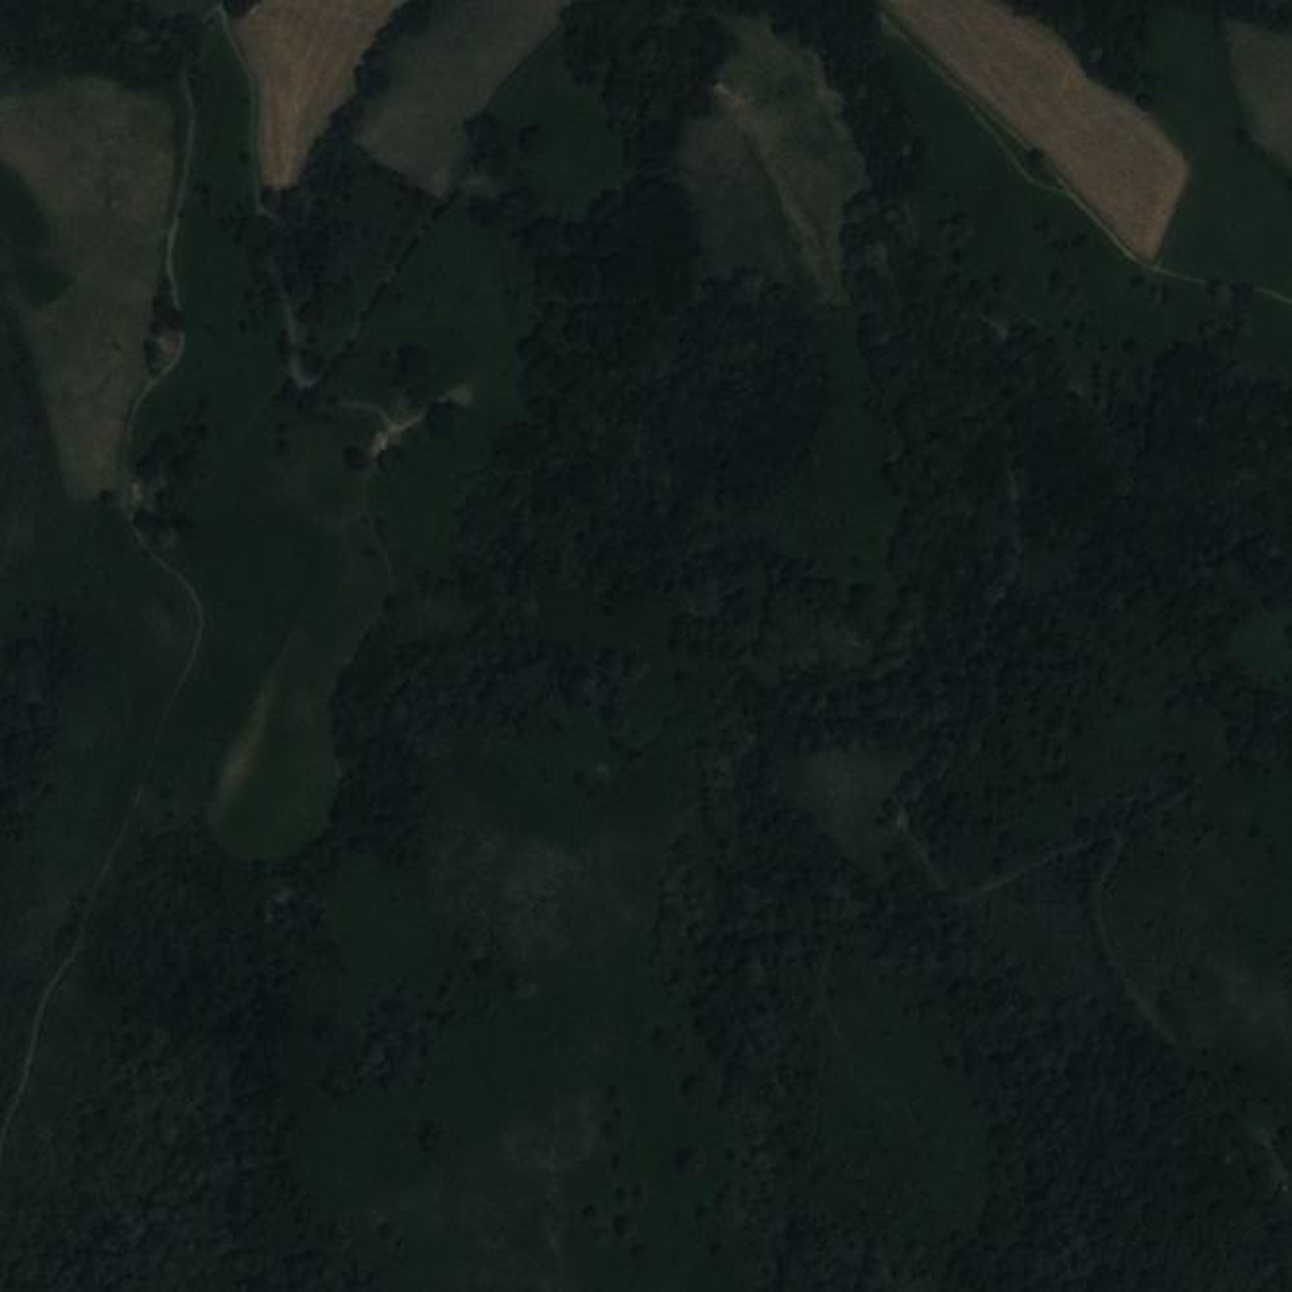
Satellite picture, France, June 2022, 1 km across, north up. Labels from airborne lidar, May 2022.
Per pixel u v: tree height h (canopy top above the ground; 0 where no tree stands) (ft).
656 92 65
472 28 0
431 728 25
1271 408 47
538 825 0
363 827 66
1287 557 62
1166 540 60
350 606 0
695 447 71
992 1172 25
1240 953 0
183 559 0
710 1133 0
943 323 83
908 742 37
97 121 0
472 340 0
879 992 0
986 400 81
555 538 63
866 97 66
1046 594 20
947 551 75
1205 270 0
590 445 37
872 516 0
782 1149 53
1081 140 0
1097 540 24
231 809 0
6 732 49
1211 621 28
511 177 34
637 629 0
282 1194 24
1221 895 0
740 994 49
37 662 52
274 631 0
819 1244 24
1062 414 73
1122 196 0
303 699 0
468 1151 0
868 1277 51
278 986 49
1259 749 62
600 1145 0
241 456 0
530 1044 0
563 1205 0
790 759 24
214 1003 63
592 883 0
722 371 63
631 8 89
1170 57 0
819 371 28
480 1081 0
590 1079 0
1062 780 38
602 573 53
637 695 0
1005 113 0
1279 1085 0
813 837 50
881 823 33
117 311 0
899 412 28
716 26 48
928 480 61
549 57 0
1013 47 0
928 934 37
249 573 0
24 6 53
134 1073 37
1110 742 0
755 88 0
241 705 0
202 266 0
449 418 53
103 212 0
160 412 0
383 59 57
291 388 31
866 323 36
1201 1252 24
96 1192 56
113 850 0
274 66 0
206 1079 51
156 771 0
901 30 0
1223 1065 0
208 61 0
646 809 0
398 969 0
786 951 49
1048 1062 57
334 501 0
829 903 56
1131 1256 22
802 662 52
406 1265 0
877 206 60
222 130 0
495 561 36
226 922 63
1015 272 0
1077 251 29
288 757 0
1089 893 27
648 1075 0
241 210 32
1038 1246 49
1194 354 35
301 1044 0
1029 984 23
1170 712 36
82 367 0
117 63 56
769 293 40
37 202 0
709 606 54
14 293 0
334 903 0
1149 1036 27
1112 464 73
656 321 49
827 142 0
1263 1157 40
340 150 34
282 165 0
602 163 0
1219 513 57
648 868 0
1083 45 61
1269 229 0
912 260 60
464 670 47
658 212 100
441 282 0
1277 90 0
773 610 48
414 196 35
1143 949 0
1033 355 62
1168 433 42
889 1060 0
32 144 0
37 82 0
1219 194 0
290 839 0
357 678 38
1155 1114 68
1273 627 0
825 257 0
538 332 46
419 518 0
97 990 33
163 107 0
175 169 0
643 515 66
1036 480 25
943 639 71
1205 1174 50
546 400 38
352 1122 0
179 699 0
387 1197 0
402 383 59
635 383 84
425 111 0
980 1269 40
